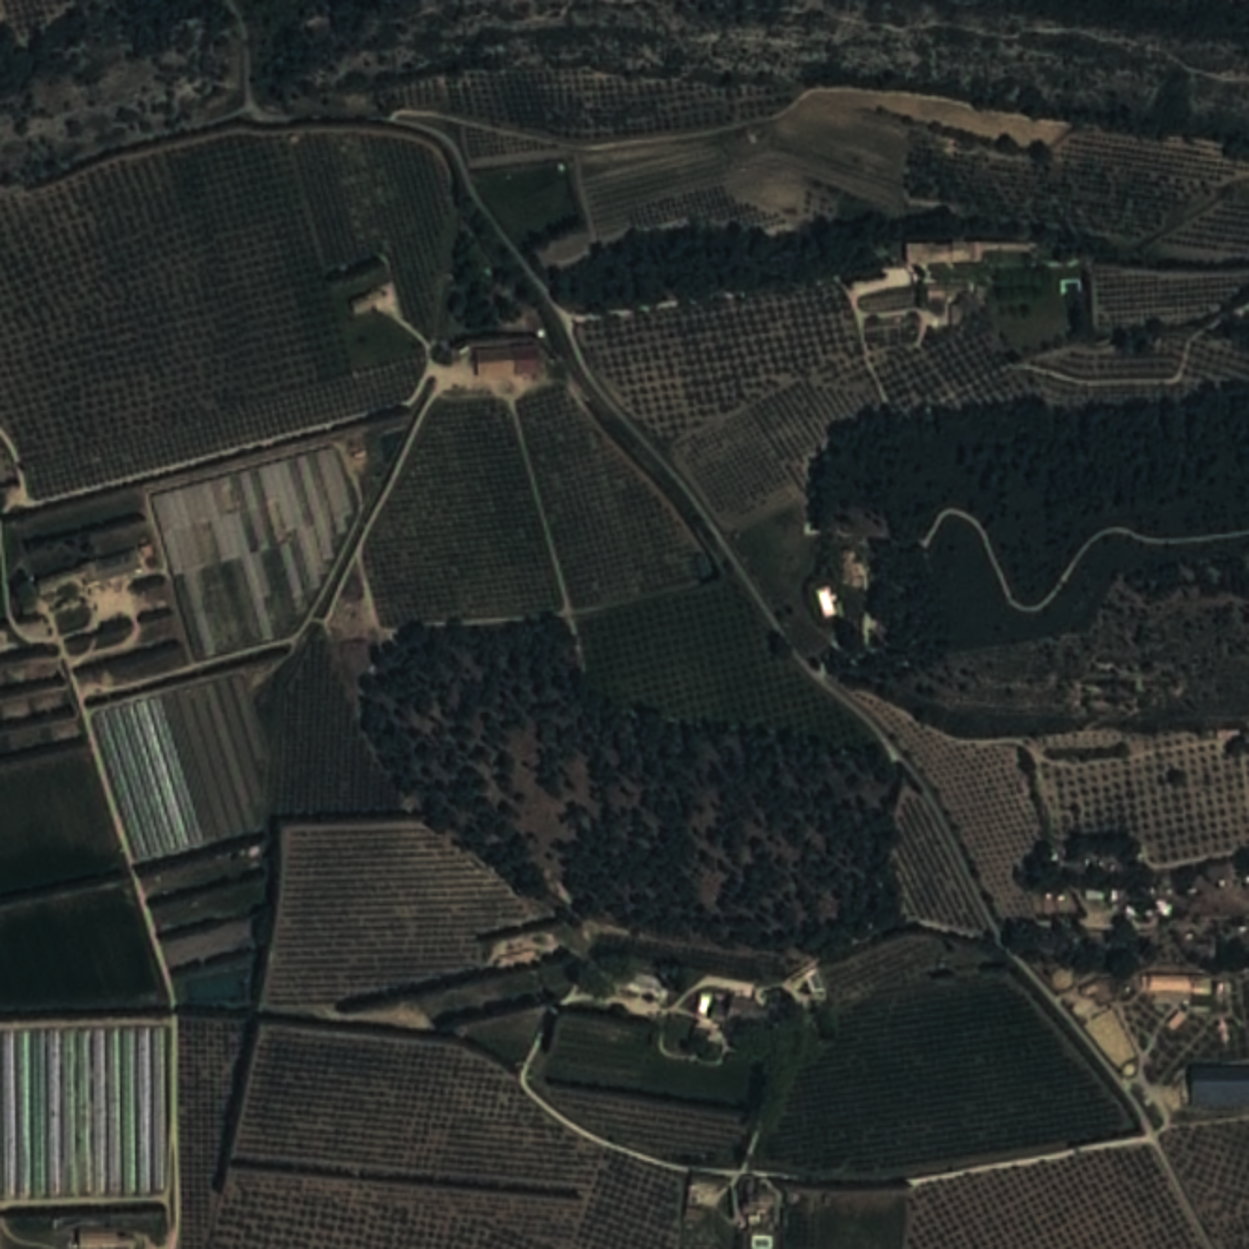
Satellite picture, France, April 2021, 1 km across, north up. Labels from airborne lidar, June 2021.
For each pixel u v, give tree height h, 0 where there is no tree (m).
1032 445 10
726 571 7
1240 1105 0
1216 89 0
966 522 0
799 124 0
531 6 0
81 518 0
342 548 0
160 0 11
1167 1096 0
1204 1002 0
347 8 16
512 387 7
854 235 11
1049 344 7
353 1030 13
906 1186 11
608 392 0
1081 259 10
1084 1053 11
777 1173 0
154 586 7
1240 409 9
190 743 0
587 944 0
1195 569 8
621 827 13
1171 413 15
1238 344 9
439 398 0
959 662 0
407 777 14
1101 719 0
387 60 8
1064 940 15
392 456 0
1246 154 14
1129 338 12
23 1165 0
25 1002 0
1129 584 10
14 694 8
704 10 9
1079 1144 7
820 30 0
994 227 12
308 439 9
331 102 9
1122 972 23
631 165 0
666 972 11
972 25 0
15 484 8
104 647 0
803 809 11
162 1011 8
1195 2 10
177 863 10
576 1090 10
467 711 13
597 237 0
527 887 18
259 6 6
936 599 11
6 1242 0
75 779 0
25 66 7
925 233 13
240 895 0
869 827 14
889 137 0
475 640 13
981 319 10
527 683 9
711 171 0
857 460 10
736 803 11
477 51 6
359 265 7
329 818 12
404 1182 12
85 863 0
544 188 0
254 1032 13
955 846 0
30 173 10
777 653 12
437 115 0
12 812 0
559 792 12
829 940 18
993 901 8
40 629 0
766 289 13
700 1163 8
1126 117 12
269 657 8
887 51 0
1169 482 10
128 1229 0
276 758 0
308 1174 13
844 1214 0
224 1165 11
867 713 0
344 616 0
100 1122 0
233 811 0
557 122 6
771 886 12
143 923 0
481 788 14
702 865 7
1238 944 7
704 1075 0
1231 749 9
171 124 11
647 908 13
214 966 8
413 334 0
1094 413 12
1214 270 10
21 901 8
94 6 7
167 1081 0
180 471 7
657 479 9
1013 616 0
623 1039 0
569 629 12
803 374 7
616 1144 7
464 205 12
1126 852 12
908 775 14
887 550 12
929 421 11
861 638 15
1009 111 8
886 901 18
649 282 10
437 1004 0
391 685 13
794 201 0
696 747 14
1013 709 0
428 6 0
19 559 0
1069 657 7
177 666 0
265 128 10
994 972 12
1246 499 7
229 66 8
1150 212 5
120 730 0
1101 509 11
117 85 0
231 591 0
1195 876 6
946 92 6
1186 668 8
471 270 13
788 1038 30
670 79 7
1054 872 13
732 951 16
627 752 14
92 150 0
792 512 0
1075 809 8
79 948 0
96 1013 8
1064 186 5
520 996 0
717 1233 0
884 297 0
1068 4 5
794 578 0
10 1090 0
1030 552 9
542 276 7
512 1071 12
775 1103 25
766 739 13
